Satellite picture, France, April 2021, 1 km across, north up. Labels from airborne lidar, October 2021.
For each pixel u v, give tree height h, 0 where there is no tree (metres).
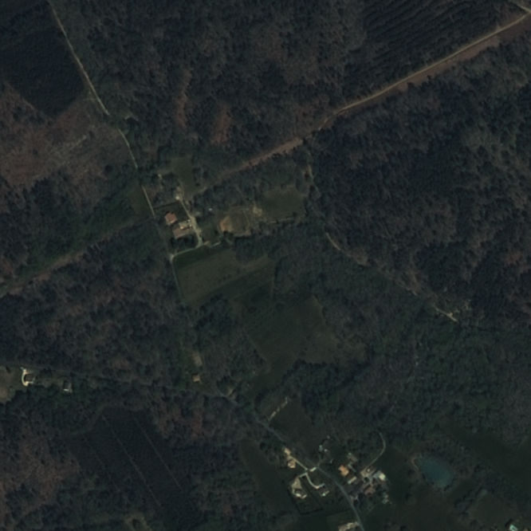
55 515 0
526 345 24
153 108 21
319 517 0
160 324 24
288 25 14
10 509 11
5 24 7
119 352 12
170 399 16
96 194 17
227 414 18
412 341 22
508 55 19
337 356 0
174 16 28
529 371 22
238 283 0
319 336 0
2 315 25
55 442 11
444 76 10
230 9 14
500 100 11
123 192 21
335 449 0
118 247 20
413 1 11
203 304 0
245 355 15
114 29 7
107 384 13
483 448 0
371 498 6
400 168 11
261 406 20
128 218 20
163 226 21
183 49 8
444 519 0
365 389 21
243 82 14
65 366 18
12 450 14
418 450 0
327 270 23
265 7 17
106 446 7
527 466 0
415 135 20
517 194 15
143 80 13
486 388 24
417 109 9
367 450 13
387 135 17
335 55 9
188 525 11
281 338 0
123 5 22
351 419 19
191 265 0
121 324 17
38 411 13
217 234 10
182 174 0
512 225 20
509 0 19
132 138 17
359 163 11
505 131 13
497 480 7
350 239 17
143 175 22
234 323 12
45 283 10
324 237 17
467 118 18
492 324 25
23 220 18
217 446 17
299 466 0
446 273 18
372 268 13
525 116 21
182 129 13
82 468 8
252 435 15
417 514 0
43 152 0
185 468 16
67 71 12
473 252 11
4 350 22
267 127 9
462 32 9
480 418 15
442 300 18
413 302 26
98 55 26
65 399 19
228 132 10
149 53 11
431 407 17
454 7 8
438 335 25
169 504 10
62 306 15
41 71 12
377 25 11
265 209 0
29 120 14
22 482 6
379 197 22
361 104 0
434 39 9
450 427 0
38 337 6
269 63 10
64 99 8
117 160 0
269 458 14
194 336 17
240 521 11
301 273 15
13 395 0
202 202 18
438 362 26
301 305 0
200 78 20
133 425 9
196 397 7
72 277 21
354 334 23
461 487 0
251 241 12
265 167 21
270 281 0
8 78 8
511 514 0
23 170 0
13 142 11
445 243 13
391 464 0
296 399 13
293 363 0
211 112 21
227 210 10
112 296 9
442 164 25
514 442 10
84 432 20
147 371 12
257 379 0
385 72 11
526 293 23
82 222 19
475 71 19
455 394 19
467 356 18
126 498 9
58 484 9
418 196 21
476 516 0
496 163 16
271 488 0
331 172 22
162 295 10
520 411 20
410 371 14
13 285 20
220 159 21
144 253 22
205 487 11
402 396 19
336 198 12
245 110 12
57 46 10
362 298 19
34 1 9
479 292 19
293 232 15
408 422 18
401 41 12
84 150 0
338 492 11
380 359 20
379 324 17
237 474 20
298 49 20
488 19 7
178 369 20
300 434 0
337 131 10
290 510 0
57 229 19
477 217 16
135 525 15
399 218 14
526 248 9
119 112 18
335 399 22
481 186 9
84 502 23
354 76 9
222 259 0
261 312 6
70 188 12
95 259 27
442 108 7
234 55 7
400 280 15
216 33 9
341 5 14
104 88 24
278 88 14
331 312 17
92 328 14
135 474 7
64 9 18
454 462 9
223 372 7
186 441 10
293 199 0
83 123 0
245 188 18
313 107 9
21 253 19
